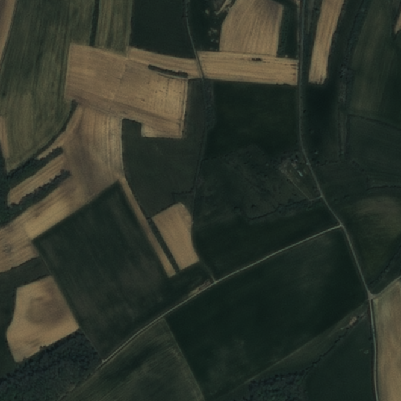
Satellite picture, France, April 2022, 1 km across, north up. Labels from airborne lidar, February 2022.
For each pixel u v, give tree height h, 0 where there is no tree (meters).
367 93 0
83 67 0
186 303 0
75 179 0
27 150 0
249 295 0
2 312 0
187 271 0
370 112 0
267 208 0
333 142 0
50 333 0
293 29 0
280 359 0
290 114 0
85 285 0
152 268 0
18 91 0
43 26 0
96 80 0
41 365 16
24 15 0
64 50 0
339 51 0
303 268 0
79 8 0
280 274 0
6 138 0
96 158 0
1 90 0
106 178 0
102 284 0
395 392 0
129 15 0
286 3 0
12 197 0
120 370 0
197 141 0
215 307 0
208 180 0
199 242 0
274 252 0
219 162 0
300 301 0
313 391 0
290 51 0
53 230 0
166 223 0
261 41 0
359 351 0
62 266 0
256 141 0
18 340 0
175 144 0
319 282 0
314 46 0
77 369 23
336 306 0
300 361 0
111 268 0
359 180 0
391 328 0
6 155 0
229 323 0
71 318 0
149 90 0
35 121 0
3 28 0
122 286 0
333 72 0
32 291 0
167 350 0
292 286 0
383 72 0
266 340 0
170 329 0
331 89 0
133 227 0
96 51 0
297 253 0
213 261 0
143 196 0
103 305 0
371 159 0
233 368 0
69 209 0
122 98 0
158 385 0
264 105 0
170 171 0
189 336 0
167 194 0
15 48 0
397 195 0
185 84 0
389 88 0
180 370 0
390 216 0
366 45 0
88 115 0
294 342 0
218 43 0
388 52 0
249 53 0
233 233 0
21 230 0
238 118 0
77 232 0
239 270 0
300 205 6
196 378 0
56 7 0
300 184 0
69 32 0
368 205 0
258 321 0
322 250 0
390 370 0
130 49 0
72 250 0
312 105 0
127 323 0
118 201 0
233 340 0
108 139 0
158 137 0
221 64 0
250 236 0
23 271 0
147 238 0
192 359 0
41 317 0
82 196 0
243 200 0
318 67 0
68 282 0
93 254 0
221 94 0
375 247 0
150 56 0
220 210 0
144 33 0
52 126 0
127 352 0
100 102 0
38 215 0
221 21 0
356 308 0
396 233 0
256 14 0
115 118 0
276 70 0
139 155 0
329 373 0
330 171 0
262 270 0
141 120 0
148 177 0
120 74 0
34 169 16
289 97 0
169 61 0
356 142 0
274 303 0
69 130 0
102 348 0
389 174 0
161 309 0
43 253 0
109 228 0
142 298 0
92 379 0
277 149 0
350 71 13
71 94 0
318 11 8
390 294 0
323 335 0
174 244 0
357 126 0
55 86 0
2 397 24
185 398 0
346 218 0
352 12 0
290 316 0
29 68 0
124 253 0
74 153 0
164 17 0
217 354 0
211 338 0
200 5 0
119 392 0
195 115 0
